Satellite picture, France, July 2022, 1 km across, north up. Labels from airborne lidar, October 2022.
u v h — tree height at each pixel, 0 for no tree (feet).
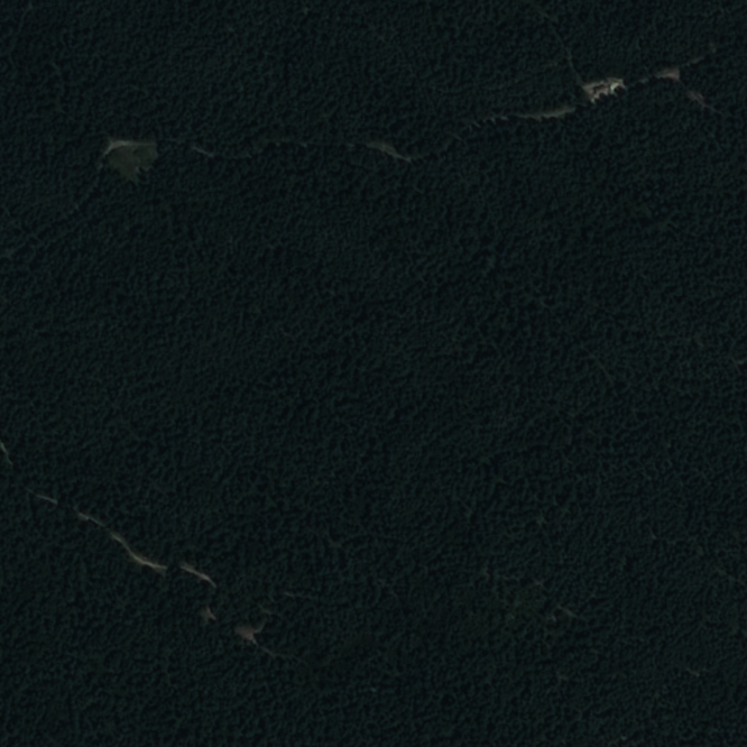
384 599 67
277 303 38
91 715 55
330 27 67
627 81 31
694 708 93
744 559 25
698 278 76
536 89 51
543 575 60
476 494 108
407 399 63
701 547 34
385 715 63
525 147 70
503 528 47
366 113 34
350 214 49
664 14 57
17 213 66
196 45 64
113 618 83
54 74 102
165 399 56
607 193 25
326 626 60
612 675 85
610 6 92
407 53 51
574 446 31
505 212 43
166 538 69
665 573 84
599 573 64
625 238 66
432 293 62
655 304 56
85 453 82
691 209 73
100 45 77
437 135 73
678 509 65
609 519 82
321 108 60
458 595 65
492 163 84
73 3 67
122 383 83
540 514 80
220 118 44
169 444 76
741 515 73
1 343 56
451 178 51
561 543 51
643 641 72
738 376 48
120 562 53
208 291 45
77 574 63
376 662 21
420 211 67
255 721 77
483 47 81
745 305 68
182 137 70
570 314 62
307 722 87
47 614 68
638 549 73
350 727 52
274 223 74
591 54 51
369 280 47
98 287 53
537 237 50
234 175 100
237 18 59
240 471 79
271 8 64
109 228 51
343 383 72
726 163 79
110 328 81
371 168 73
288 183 74
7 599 71
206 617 0
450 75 66
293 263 85
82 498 74
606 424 81
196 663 49
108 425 87
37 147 93
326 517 65
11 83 96
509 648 61
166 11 43
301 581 47
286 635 87
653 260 66
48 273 91
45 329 68
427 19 45
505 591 61
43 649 64
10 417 59
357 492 23
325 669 19
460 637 43
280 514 46
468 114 69
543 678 79
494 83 57
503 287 54
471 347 93
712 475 67
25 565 46
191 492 72
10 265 88
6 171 104
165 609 80
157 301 24
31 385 56
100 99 60
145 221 51
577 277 73
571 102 98
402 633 52
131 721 47
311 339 54
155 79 35
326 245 53
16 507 24
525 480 30
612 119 66
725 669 77
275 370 35
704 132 47
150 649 57
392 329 80
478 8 51
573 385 59
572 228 87
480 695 67
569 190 57
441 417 50
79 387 59
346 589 31
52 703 73
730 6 59
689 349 25
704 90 66
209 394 27
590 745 75
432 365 57
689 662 87
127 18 71
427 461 55
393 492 42
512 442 96
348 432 90
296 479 53
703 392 28
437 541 69
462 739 100
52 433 54
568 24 59
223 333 85
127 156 0
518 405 61
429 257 43
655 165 74
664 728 78
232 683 72
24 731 89
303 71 47
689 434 72
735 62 64
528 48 64
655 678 61
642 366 46
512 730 76
